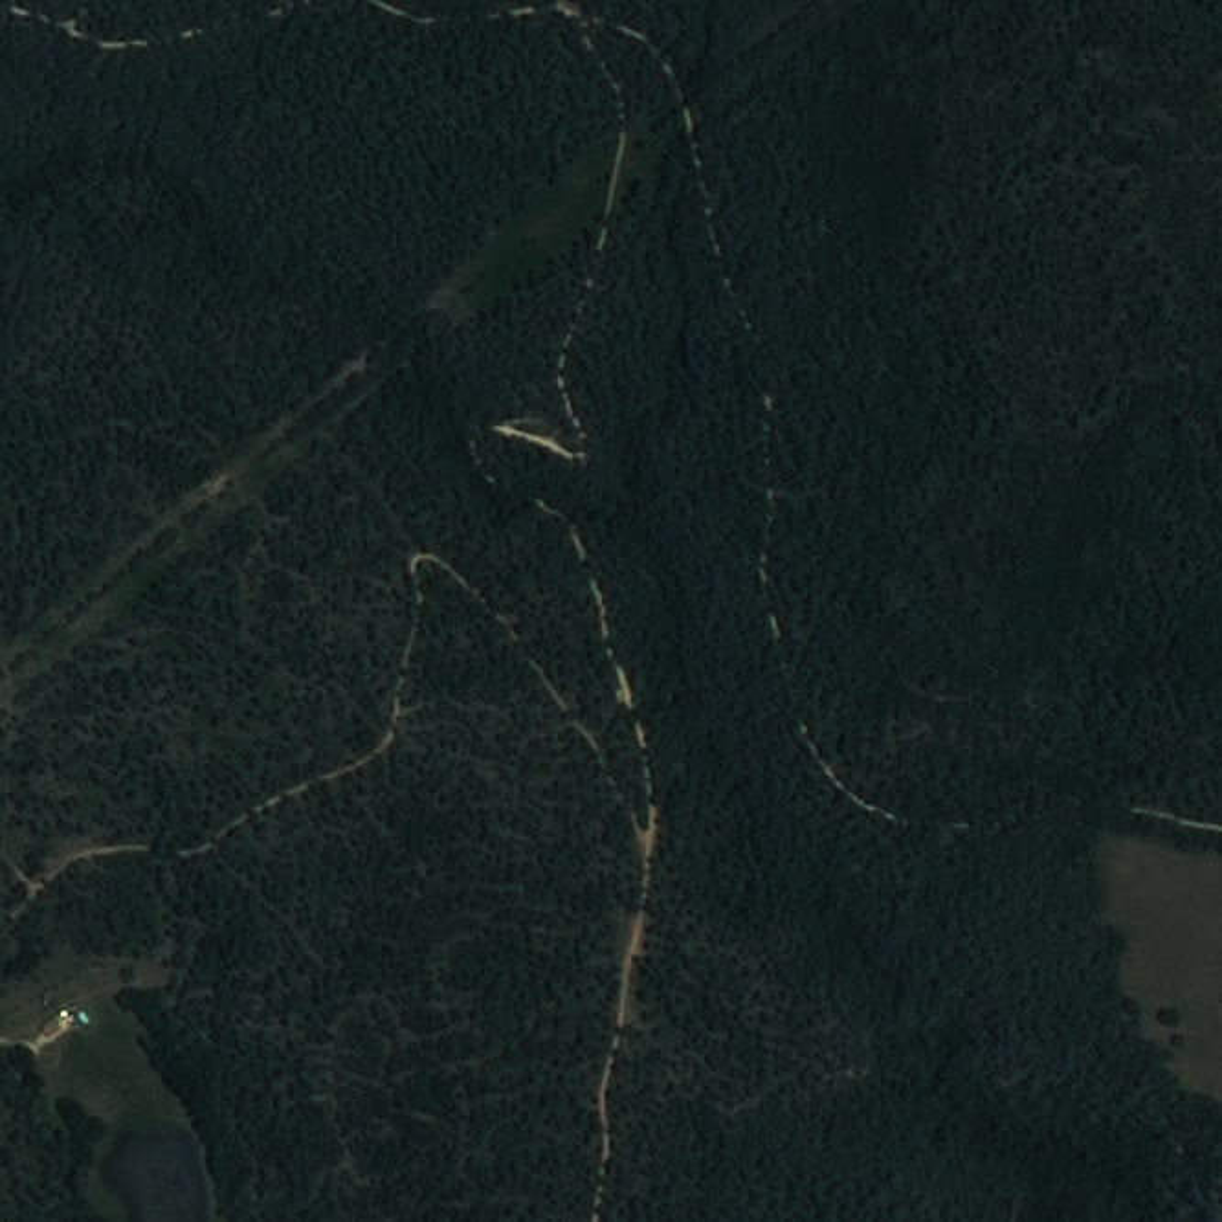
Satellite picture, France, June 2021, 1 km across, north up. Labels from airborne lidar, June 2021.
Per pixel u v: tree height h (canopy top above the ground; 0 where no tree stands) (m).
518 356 12
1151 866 0
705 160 15
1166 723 16
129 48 11
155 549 8
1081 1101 16
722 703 16
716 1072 11
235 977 7
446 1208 11
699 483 12
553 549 14
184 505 0
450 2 14
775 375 15
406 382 10
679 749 14
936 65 10
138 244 10
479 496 15
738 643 17
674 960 13
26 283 9
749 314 11
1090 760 12
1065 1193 13
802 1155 15
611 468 19
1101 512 15
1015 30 11
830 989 8
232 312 12
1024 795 15
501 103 11
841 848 15
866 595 11
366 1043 8
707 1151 14
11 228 11
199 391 10
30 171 13
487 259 0
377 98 15
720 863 18
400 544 9
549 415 13
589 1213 8
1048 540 16
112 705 13
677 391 17
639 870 8
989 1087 8
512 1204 7
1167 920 0
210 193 8
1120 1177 18
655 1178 14
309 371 15
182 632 11
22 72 15
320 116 14
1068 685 12
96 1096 0
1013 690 11
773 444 13
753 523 13
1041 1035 15
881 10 10
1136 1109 10
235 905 15
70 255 11
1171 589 9
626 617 14
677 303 17
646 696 13
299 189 18
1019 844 19
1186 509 13
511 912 11
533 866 10
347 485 13
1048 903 18
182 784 16
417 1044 8
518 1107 13
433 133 14
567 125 15
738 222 20
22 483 7
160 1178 0
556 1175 12
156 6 18
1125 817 11
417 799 13
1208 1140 19
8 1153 14
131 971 11
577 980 14
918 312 10
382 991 10
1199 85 8
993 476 15
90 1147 13
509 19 11
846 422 15
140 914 18
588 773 11
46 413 12
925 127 11
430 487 7
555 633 6
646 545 10
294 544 12
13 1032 0
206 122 13
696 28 17
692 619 11
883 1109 13
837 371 15
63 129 18
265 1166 11
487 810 10
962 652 8
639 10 16
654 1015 8
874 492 10
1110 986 17
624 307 15
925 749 7
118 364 7
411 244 14
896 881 22
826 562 12
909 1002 20
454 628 13
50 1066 0
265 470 0
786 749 18
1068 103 16
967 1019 17
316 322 8
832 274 13
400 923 11
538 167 15
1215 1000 0
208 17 15
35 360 12
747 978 14
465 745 7
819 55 8
